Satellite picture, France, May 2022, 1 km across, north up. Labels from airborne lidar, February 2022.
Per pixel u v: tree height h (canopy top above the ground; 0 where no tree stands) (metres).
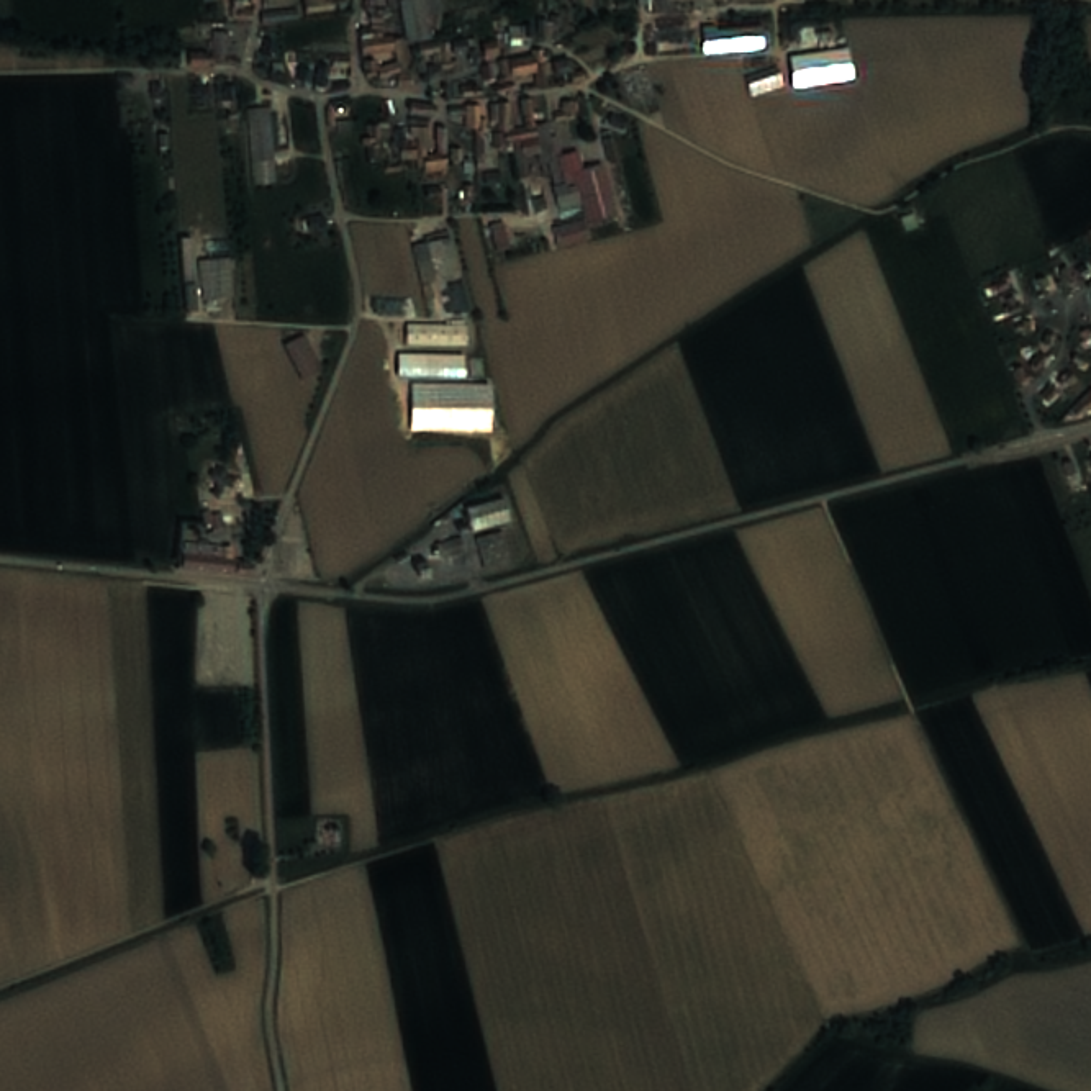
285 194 0
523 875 0
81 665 0
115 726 0
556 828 0
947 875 0
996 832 0
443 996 0
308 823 0
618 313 0
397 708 0
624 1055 0
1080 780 0
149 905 0
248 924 0
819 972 0
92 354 0
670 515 0
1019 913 0
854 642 0
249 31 0
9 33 24
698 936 0
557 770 0
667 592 0
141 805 0
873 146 0
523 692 0
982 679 0
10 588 0
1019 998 0
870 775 0
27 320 0
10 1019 0
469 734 0
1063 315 0
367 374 0
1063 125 0
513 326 0
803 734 0
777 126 0
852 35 0
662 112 0
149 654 0
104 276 0
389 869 0
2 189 0
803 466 0
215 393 0
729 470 0
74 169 0
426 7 0
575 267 0
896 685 0
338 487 0
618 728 0
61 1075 0
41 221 0
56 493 0
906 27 0
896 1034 9
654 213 0
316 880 0
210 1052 0
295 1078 0
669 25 0
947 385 0
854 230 0
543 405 0
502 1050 0
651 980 0
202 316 0
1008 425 0
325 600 0
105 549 0
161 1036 0
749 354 0
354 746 0
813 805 0
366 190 0
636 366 0
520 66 0
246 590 0
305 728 0
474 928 0
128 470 0
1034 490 0
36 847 0
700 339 0
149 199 0
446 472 0
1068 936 0
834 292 0
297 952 0
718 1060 0
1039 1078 0
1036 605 0
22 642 0
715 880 0
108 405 0
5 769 0
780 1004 0
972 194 0
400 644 0
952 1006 0
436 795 0
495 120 0
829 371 0
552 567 0
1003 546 0
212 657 0
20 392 0
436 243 0
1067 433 0
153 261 0
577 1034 0
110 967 0
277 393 0
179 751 0
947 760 0
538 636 0
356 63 0
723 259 0
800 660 0
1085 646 0
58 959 0
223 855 0
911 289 0
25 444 0
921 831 0
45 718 0
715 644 0
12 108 0
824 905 0
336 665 0
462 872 0
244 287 0
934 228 0
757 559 0
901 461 0
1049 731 0
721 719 0
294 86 0
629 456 0
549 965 0
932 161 0
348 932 0
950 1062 0
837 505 0
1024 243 0
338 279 0
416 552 0
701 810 0
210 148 0
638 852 0
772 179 0
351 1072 0
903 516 0
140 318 0
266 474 0
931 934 0
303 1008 0
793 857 0
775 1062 0
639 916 0
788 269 0
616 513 0
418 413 0
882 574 0
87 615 0
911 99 0
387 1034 0
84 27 0
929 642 0
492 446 0
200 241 0
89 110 0
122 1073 0
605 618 0
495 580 0
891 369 0
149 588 0
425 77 11
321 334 0
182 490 0
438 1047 0
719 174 0
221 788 0
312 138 0
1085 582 0
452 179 0
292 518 0
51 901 0
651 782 0
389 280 0
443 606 0
